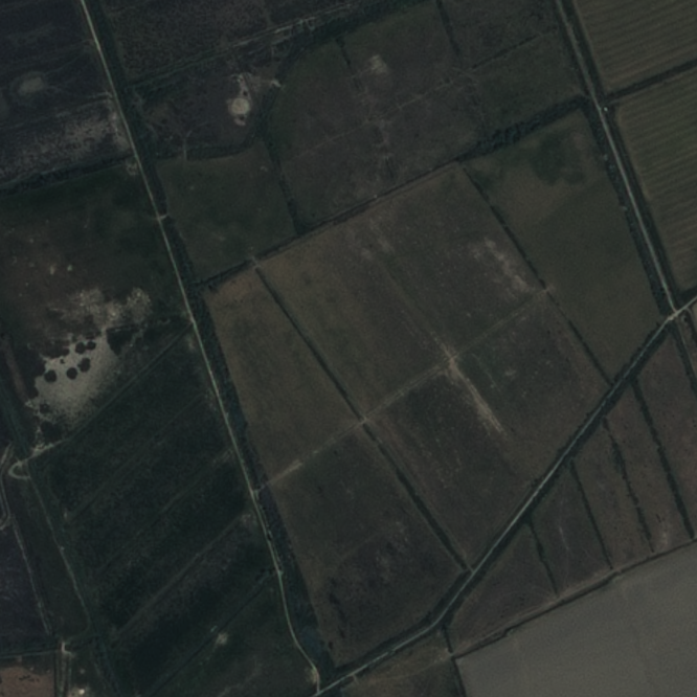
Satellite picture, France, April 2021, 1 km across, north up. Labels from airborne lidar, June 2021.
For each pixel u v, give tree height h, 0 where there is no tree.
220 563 0
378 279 0
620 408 0
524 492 0
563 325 0
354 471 0
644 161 0
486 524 0
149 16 0
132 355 0
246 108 0
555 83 0
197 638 0
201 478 0
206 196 0
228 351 0
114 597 0
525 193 0
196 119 0
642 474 0
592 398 0
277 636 0
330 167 0
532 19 0
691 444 0
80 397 0
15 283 0
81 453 0
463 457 0
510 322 0
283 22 0
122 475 0
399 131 0
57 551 0
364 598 0
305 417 0
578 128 0
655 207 0
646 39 0
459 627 0
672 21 0
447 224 0
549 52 0
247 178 0
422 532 0
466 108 0
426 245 0
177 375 0
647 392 0
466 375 0
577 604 0
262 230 0
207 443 0
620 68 0
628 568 0
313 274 0
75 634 0
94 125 0
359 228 0
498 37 0
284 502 0
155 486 0
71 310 0
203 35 0
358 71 0
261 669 0
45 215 0
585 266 0
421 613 0
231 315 0
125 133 0
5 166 0
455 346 0
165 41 0
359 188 0
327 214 0
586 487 0
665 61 0
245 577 0
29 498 0
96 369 0
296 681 0
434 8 0
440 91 0
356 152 0
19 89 0
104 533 0
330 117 0
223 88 0
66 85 0
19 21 0
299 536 0
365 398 0
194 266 7
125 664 0
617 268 0
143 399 0
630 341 0
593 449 0
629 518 0
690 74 0
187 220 0
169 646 0
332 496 0
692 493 0
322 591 0
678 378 0
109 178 0
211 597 0
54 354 0
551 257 0
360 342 0
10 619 0
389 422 0
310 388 0
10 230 0
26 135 0
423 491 0
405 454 0
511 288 0
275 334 0
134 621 0
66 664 0
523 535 0
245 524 0
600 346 0
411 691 0
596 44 0
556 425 0
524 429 0
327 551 0
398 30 0
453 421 0
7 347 0
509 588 0
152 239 0
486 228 0
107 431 0
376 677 0
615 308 0
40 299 0
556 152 0
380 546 0
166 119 0
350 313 0
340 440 0
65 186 0
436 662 0
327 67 0
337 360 0
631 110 0
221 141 0
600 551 0
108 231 0
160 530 0
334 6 0
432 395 0
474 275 0
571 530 0
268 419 0
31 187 8
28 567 0
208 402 0
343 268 0
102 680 0
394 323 0
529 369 0
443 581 0
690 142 0
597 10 0
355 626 0
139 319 0
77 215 0
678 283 0
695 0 0
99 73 0
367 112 0
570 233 0
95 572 0
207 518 0
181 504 0
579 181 0
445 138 0
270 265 0
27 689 0
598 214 0
